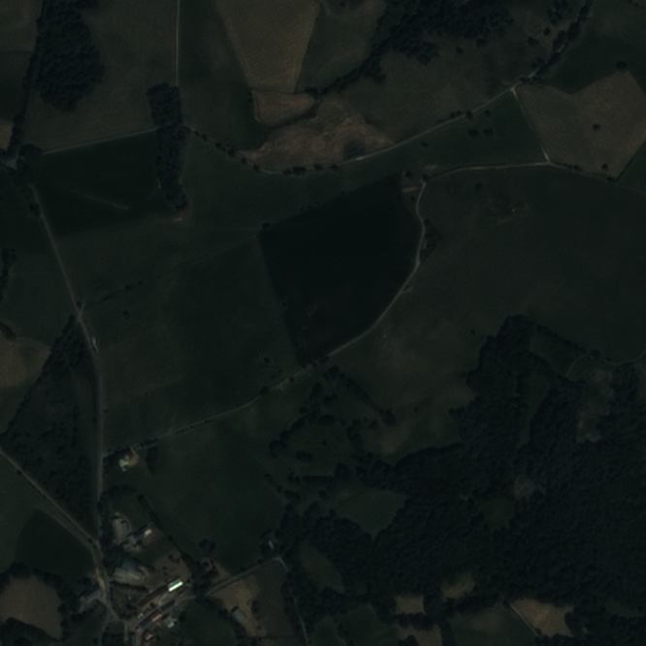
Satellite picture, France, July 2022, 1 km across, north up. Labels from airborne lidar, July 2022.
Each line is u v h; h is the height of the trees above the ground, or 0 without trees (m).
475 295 0
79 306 9
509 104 0
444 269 0
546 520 20
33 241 0
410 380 0
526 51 0
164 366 0
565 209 0
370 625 0
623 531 19
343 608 13
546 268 0
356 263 0
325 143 0
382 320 0
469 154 0
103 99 0
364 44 0
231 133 0
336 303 0
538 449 22
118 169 0
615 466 16
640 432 14
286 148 0
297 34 0
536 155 0
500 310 0
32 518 0
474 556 18
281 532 17
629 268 0
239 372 0
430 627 16
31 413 0
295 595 12
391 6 6
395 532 17
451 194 0
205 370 0
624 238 0
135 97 0
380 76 8
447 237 0
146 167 0
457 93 0
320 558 0
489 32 12
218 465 0
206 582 11
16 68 0
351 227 0
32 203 6
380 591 20
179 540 0
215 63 0
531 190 0
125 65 0
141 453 0
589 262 0
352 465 0
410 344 0
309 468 0
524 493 0
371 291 0
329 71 0
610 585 23
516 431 29
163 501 0
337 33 0
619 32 0
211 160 0
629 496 14
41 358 0
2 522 0
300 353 0
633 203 0
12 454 13
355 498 0
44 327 0
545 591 14
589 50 0
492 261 0
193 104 0
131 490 13
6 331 14
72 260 0
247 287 0
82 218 0
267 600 0
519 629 0
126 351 0
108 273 0
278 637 0
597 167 0
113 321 0
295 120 0
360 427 15
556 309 0
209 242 0
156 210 0
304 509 0
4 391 0
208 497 0
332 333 0
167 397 0
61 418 0
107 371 0
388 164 0
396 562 20
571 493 23
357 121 0
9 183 0
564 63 0
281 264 0
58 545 0
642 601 18
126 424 0
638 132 0
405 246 0
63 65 8
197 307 0
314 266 0
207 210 0
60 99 18
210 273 0
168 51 0
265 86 0
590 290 0
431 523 25
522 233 0
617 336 0
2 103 0
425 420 0
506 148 0
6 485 0
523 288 0
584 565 14
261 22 0
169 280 0
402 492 15
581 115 0
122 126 0
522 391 23
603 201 0
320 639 0
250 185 0
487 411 22
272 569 0
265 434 0
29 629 19
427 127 0
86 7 12
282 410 0
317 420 14
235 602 0
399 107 0
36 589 0
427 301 0
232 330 0
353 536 16
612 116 0
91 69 16
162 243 0
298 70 0
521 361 24
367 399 15
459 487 28
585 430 0
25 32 0
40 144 0
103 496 7
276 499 0
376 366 0
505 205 0
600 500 18
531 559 14
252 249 0
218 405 0
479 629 0
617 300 0
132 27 0
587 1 8
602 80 0
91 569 0
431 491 19
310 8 0
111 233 0
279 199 0
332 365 0
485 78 0
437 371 0
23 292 0
